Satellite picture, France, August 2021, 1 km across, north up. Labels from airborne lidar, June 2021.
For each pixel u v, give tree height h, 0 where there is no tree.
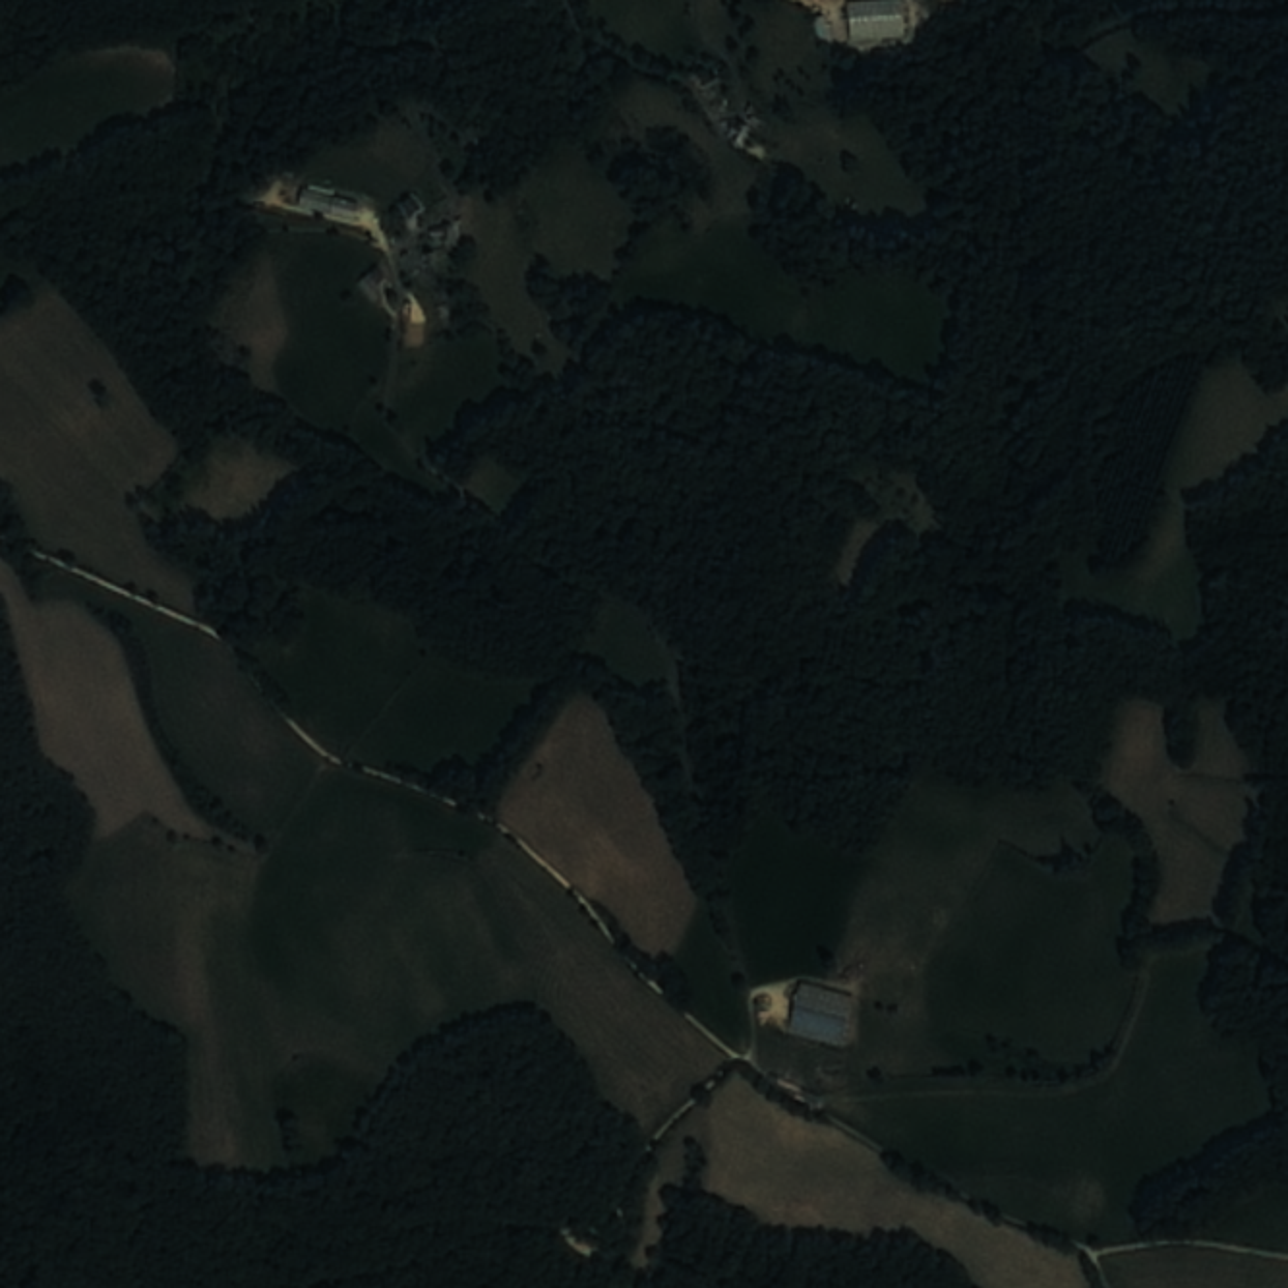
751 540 24
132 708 0
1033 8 25
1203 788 0
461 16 13
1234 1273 0
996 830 0
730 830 18
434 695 0
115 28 19
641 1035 0
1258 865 21
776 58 0
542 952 0
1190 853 0
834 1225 0
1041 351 29
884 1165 7
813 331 0
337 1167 17
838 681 24
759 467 20
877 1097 0
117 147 22
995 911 0
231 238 19
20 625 0
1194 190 24
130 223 23
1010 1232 0
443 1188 23
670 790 25
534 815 0
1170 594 0
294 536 22
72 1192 25
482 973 0
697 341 16
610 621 0
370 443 0
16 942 18
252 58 12
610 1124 19
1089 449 18
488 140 14
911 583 25
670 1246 14
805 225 22
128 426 0
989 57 21
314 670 0
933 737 21
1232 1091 0
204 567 12
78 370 0
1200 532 16
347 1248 23
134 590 9
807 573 22
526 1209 24
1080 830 0
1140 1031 0
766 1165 0
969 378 23
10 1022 20
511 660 24
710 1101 10
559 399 17
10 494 13
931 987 0
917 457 17
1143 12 17
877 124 13
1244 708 11
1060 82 24
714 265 0
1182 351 11
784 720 28
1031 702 24
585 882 0
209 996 0
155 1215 26
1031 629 25
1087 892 0
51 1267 25
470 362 0
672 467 22
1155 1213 20
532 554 20
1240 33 24
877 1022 0
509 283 0
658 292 0
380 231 0
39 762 13
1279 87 25
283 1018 0
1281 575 11
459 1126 22
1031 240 30
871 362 0
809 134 0
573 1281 17
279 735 0
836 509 21
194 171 25
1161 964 0
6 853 17
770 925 0
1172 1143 0
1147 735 0
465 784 19
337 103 21
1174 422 19
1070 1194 0
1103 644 23
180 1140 20
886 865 0
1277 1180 13
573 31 24
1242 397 0
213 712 0
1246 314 17
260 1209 24
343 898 0
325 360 0
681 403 20
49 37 23
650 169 27
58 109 0
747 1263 14
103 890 0
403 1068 12
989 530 27
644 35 0
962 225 23
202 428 11
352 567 24
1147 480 17
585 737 0
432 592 25
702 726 15
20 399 0
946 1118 0
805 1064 0
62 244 20
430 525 21
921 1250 20
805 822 22
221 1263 22
